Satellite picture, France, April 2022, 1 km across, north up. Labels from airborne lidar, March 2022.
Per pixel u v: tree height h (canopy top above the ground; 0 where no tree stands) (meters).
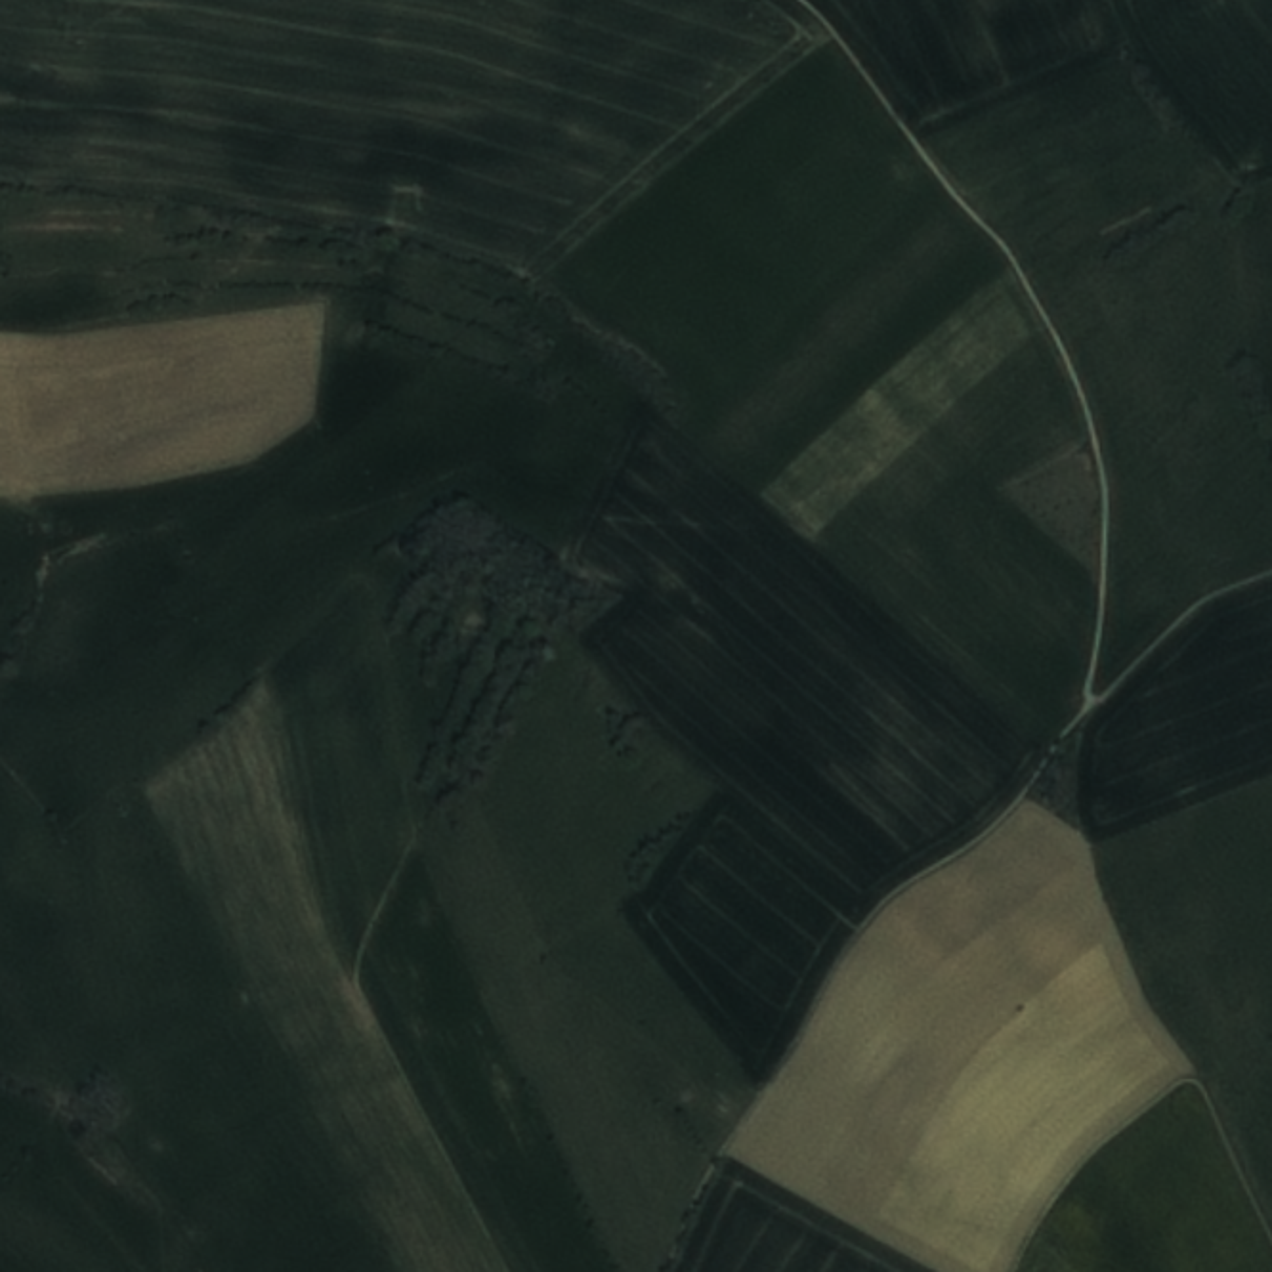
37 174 0
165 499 0
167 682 0
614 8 0
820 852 0
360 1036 0
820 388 0
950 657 0
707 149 0
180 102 0
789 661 0
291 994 0
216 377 0
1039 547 0
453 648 16
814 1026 0
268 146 0
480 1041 0
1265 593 0
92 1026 0
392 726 0
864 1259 0
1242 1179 0
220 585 0
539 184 0
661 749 0
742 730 0
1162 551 0
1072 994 0
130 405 0
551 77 0
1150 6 0
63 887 0
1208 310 0
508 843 0
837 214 0
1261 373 13
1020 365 0
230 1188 0
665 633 0
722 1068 0
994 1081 0
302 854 0
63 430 0
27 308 0
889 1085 0
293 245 7
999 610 0
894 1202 0
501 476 0
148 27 0
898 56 0
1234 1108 0
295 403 0
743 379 0
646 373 8
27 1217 0
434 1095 0
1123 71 0
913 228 0
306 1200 0
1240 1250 0
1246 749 0
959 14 0
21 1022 0
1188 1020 0
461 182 0
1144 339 0
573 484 0
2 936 0
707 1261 0
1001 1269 0
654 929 0
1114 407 0
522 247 0
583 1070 0
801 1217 0
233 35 0
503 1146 0
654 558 0
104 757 0
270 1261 0
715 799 0
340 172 0
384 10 0
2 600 0
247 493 0
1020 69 0
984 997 0
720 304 0
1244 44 0
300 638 0
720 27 0
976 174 0
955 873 0
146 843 0
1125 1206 0
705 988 0
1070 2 0
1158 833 0
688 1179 0
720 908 0
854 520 0
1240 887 0
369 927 0
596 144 0
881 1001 0
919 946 0
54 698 0
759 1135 0
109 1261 0
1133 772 0
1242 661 0
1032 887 0
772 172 0
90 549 0
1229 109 0
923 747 0
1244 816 0
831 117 0
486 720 8
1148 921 0
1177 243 0
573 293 0
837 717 0
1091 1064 0
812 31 0
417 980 0
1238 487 0
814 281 0
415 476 0
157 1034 0
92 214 0
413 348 7
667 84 0
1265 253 0
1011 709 0
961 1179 0
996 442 0
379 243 13
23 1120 0
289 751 0
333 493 0
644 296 0
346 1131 0
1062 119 0
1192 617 0
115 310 0
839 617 0
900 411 0
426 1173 0
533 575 17
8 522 0
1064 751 8
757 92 0
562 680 0
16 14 0
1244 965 0
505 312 10
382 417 0
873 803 0
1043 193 0
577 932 0
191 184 0
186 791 0
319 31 0
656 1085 0
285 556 0
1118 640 0
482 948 0
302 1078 0
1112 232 0
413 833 0
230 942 0
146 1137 0
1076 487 0
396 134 0
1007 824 0
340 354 0
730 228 0
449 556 17
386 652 0
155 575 0
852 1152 0
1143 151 0
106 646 0
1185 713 0
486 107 0
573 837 0
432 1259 0
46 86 0
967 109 0
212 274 0
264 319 0
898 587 0
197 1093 0
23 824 0
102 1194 0
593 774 0
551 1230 0
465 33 0
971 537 0
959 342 0
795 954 0
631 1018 0
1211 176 0
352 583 0
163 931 0
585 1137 0
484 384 0
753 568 0
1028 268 0
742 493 0
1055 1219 0
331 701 0
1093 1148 0
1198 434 0
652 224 0
